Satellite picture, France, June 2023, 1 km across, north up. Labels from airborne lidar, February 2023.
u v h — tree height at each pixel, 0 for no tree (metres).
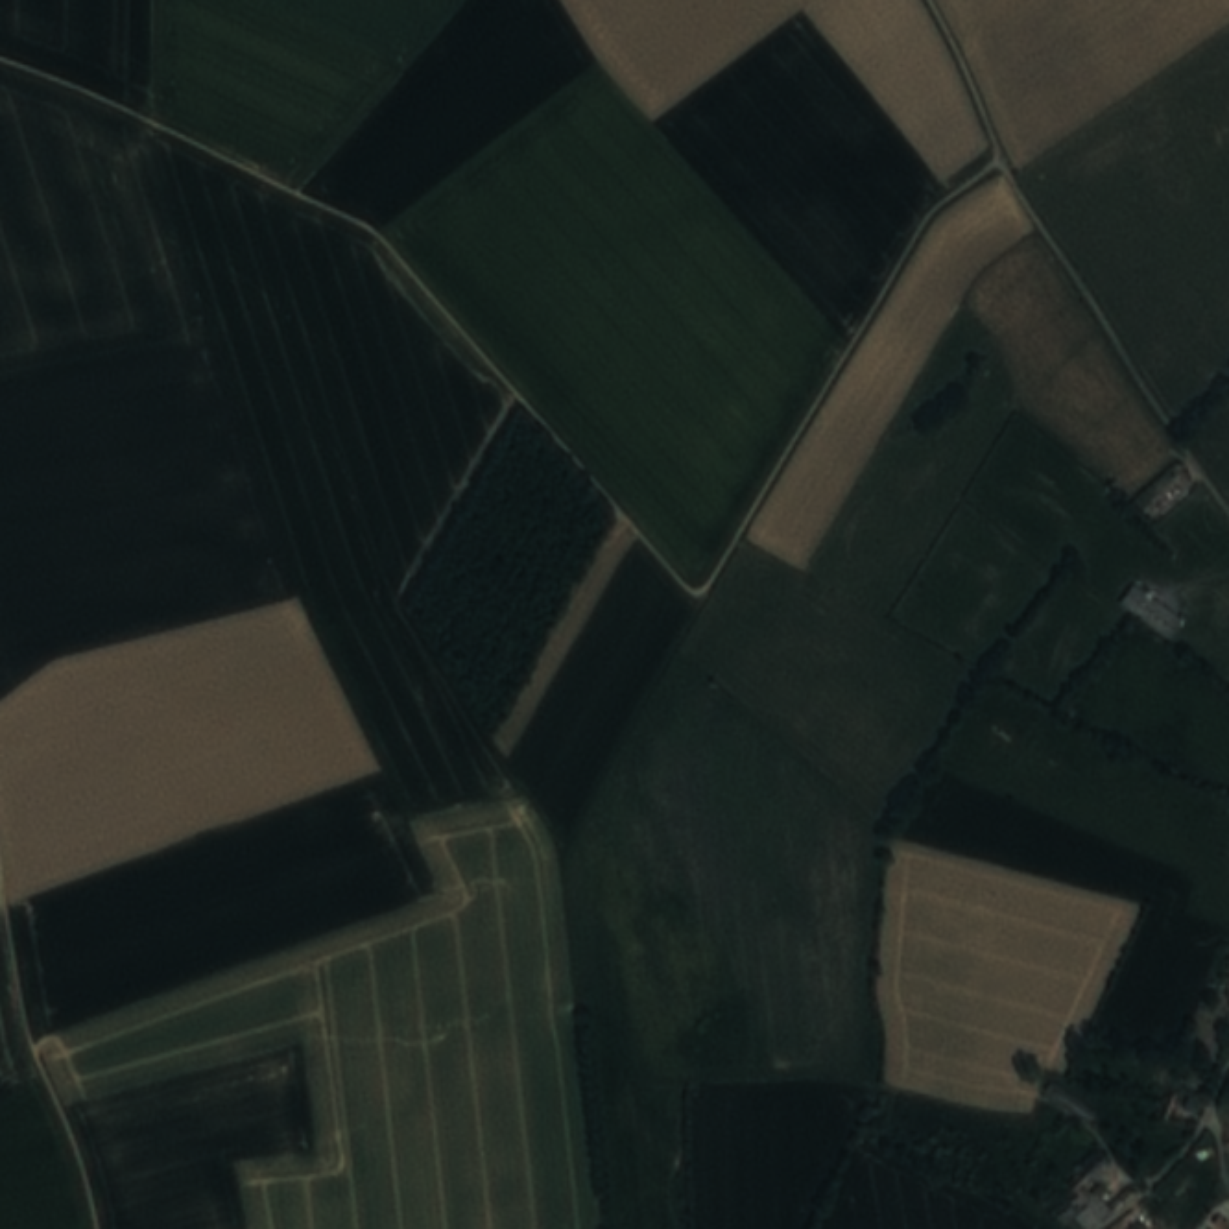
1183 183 0
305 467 0
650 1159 0
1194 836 0
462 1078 0
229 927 0
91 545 0
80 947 0
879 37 0
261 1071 0
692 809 0
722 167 0
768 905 0
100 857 0
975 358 11
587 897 0
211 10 0
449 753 0
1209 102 0
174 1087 0
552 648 0
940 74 0
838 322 0
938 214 0
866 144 0
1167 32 0
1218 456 0
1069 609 0
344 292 0
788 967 0
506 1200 0
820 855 0
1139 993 0
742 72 0
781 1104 0
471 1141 0
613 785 0
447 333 0
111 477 0
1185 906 0
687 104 0
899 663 0
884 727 0
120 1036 0
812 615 0
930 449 0
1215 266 0
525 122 0
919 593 0
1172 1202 0
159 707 0
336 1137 0
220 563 0
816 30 0
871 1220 0
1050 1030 0
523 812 0
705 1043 0
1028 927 0
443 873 0
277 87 0
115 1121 0
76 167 0
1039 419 0
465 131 0
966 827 0
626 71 0
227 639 0
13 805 0
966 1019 0
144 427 0
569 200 0
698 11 0
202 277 0
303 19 0
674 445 0
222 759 0
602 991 0
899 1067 0
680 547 0
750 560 0
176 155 0
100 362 0
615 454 0
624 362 0
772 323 0
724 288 0
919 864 0
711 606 0
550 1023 0
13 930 0
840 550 0
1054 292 0
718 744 0
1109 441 0
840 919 0
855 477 0
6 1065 0
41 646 0
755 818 0
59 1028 0
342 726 0
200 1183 0
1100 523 0
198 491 0
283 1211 0
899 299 0
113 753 0
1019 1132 0
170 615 0
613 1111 0
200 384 0
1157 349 0
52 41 0
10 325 0
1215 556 0
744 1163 0
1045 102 0
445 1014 0
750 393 0
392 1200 0
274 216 0
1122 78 0
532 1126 0
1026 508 0
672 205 0
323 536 0
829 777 0
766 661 0
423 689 0
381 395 0
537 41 0
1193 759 0
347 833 0
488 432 0
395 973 0
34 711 0
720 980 0
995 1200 8
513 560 17
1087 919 0
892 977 0
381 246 0
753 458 0
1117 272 0
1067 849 0
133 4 0
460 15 0
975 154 0
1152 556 0
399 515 0
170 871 0
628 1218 0
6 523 0
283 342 0
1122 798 0
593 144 0
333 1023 0
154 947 0
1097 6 0
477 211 0
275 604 0
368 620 0
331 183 0
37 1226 0
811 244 0
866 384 0
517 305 0
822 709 0
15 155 0
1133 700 0
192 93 0
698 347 0
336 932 0
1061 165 0
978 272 0
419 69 0
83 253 0
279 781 0
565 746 0
